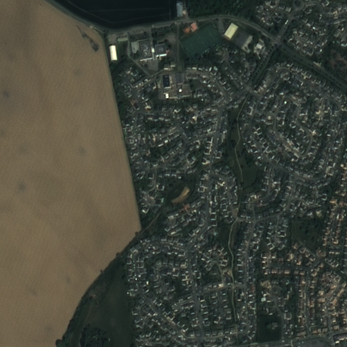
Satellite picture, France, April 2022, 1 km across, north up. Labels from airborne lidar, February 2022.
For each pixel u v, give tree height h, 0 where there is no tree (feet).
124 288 0
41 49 0
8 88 0
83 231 0
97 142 0
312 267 0
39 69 0
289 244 0
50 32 0
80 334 0
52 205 0
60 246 0
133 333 0
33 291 0
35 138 0
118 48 0
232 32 0
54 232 0
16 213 0
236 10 27
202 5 66
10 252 0
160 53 0
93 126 0
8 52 0
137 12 0
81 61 0
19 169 0
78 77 0
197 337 0
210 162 0
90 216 0
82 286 0
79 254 0
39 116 0
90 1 0
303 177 0
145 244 25
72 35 0
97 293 0
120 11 0
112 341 0
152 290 27
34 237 0
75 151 0
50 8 0
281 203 0
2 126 0
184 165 0
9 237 0
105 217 0
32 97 0
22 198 0
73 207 0
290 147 0
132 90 0
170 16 0
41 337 0
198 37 0
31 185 0
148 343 0
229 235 0
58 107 0
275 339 0
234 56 41
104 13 0
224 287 0
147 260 24
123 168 0
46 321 0
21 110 0
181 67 0
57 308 0
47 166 0
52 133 0
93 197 0
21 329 0
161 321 0
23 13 0
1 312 0
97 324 0
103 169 0
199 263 33
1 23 0
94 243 0
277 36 0
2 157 0
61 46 0
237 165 0
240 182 0
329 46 25
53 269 0
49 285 0
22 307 0
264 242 0
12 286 0
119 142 0
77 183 0
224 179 0
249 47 38
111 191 0
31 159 0
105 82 0
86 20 0
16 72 0
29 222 0
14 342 0
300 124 0
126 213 0
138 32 31
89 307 0
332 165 0
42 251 0
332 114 0
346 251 0
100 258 0
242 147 0
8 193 0
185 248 0
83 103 0
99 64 0
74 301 0
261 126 21
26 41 0
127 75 0
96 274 0
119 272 0
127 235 0
